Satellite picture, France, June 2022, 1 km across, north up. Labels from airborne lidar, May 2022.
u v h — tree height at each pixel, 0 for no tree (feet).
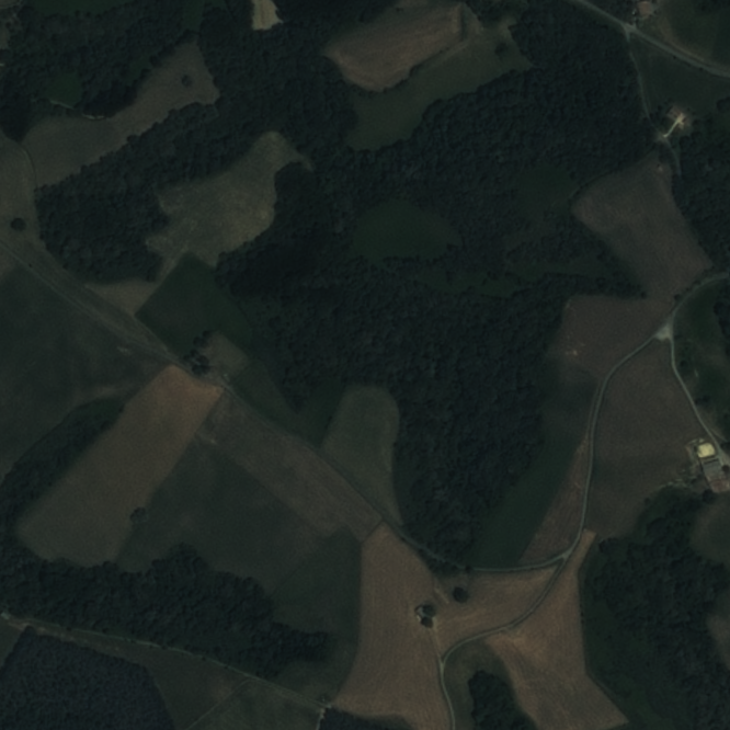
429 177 69
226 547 0
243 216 0
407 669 0
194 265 0
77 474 0
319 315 50
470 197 50
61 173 0
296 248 75
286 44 70
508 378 57
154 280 20
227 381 0
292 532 0
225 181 0
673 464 0
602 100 81
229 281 44
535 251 33
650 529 43
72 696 72
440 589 0
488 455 83
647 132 41
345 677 0
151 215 44
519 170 36
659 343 0
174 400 0
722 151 62
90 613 36
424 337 42
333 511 0
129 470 0
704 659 78
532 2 44
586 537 0
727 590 20
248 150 35
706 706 65
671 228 0
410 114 0
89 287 0
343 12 79
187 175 29
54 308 0
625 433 0
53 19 41
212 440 0
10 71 38
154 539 0
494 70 0
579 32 74
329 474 0
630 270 0
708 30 0
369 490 0
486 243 40
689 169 65
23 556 53
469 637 0
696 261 0
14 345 0
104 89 76
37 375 0
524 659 0
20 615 31
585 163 38
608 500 0
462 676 0
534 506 0
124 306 0
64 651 54
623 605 53
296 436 0
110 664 54
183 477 0
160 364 0
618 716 0
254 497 0
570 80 59
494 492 51
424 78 0
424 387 58
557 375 0
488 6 24
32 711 45
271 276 63
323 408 0
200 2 0
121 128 0
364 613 0
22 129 49
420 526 21
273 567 0
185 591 53
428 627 38
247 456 0
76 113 40
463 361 77
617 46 67
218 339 0
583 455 0
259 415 0
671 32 0
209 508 0
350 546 0
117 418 0
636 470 0
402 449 31
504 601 0
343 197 68
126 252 31
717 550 0
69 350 0
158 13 59
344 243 35
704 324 0
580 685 0
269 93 65
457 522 62
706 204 58
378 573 0
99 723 73
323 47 46
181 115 40
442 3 0
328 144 76
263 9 0
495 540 0
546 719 0
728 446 27
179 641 25
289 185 40
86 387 0
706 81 0
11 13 20
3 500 43
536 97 88
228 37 47
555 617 0
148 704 34
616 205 0
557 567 0
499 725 45
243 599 44
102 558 0
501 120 55
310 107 75
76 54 51
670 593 47
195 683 0
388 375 18
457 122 80
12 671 46
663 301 0
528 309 35
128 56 30
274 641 42
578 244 43
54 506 0
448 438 67
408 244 0
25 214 0
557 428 0
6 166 0
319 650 79
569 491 0
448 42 0
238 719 0
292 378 40
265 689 0
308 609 0
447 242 0
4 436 0
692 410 0
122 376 0
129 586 63
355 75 0
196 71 0
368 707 0
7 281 0
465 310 35
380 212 0
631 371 0
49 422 0
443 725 0
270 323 28
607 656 0
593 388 0
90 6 0
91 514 0
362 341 44
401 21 0
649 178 0
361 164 51
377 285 40
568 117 83
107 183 47
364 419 0
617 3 29
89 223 86
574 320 0
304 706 0
